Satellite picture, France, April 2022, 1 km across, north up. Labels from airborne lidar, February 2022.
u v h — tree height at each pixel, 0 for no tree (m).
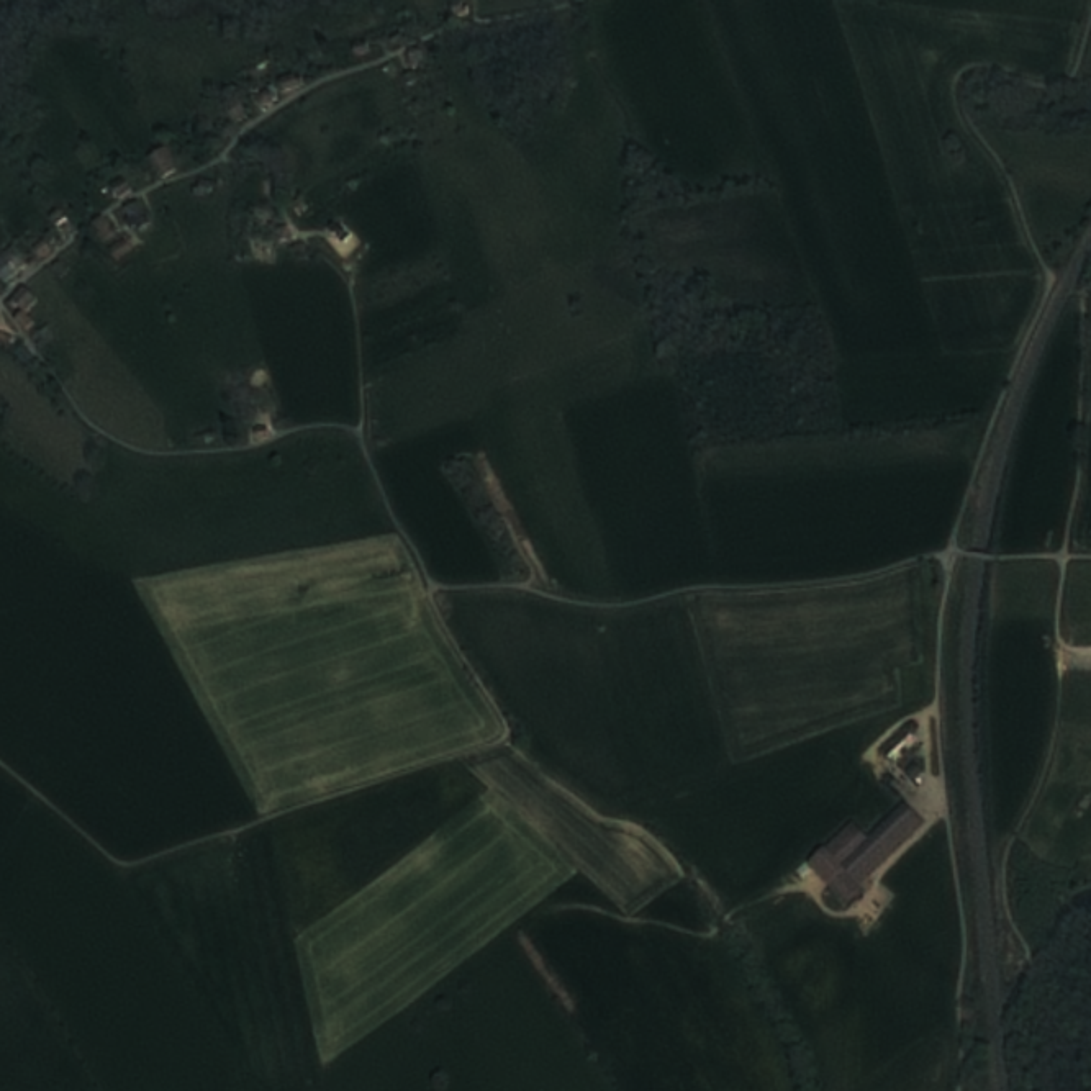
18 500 0
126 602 0
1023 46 0
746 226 0
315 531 0
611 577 0
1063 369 0
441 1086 12
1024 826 0
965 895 0
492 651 0
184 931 0
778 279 0
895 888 0
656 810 0
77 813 0
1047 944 9
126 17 0
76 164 0
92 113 0
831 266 0
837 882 0
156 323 0
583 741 0
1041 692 0
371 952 0
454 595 0
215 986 0
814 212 0
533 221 0
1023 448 0
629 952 0
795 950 0
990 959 0
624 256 0
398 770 0
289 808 0
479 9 0
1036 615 0
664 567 0
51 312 0
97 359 0
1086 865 0
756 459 0
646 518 0
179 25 0
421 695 0
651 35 0
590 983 0
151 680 0
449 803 0
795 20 0
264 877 0
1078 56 0
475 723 0
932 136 0
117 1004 0
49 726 0
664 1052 0
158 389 0
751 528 0
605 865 0
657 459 0
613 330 0
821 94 0
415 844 0
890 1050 0
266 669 0
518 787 0
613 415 0
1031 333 0
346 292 0
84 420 0
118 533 0
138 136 0
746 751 0
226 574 0
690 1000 0
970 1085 15
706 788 0
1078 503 0
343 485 0
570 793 0
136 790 0
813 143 0
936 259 0
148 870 0
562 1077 0
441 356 0
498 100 6
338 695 0
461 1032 0
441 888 0
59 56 0
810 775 0
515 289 0
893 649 0
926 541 0
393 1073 0
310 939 0
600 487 0
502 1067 0
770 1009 18
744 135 0
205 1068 0
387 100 0
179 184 0
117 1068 0
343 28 0
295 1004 0
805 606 0
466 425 0
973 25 0
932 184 0
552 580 0
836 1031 0
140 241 0
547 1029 0
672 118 0
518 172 0
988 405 0
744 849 0
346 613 0
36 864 0
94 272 0
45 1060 0
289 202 17
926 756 0
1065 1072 21
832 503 0
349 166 0
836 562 0
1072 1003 24
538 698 0
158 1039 0
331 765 0
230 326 0
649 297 7
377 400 0
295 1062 0
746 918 0
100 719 0
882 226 0
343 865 0
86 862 0
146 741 0
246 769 0
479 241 0
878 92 0
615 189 0
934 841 0
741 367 6
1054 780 0
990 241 0
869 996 0
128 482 0
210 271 0
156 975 0
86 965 0
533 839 0
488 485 0
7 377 0
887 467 0
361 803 0
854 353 0
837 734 0
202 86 0
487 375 0
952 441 0
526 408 0
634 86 0
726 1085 0
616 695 0
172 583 0
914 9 0
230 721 0
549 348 0
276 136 0
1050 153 0
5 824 0
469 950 0
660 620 0
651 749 0
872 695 0
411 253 0
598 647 0
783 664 0
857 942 0
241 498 0
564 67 24
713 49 0
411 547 0
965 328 0
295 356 0
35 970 0
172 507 0
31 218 0
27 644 0
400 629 0
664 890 0
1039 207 0
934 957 0
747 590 0
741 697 0
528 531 0
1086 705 0
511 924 0
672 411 0
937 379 0
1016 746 0
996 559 0
